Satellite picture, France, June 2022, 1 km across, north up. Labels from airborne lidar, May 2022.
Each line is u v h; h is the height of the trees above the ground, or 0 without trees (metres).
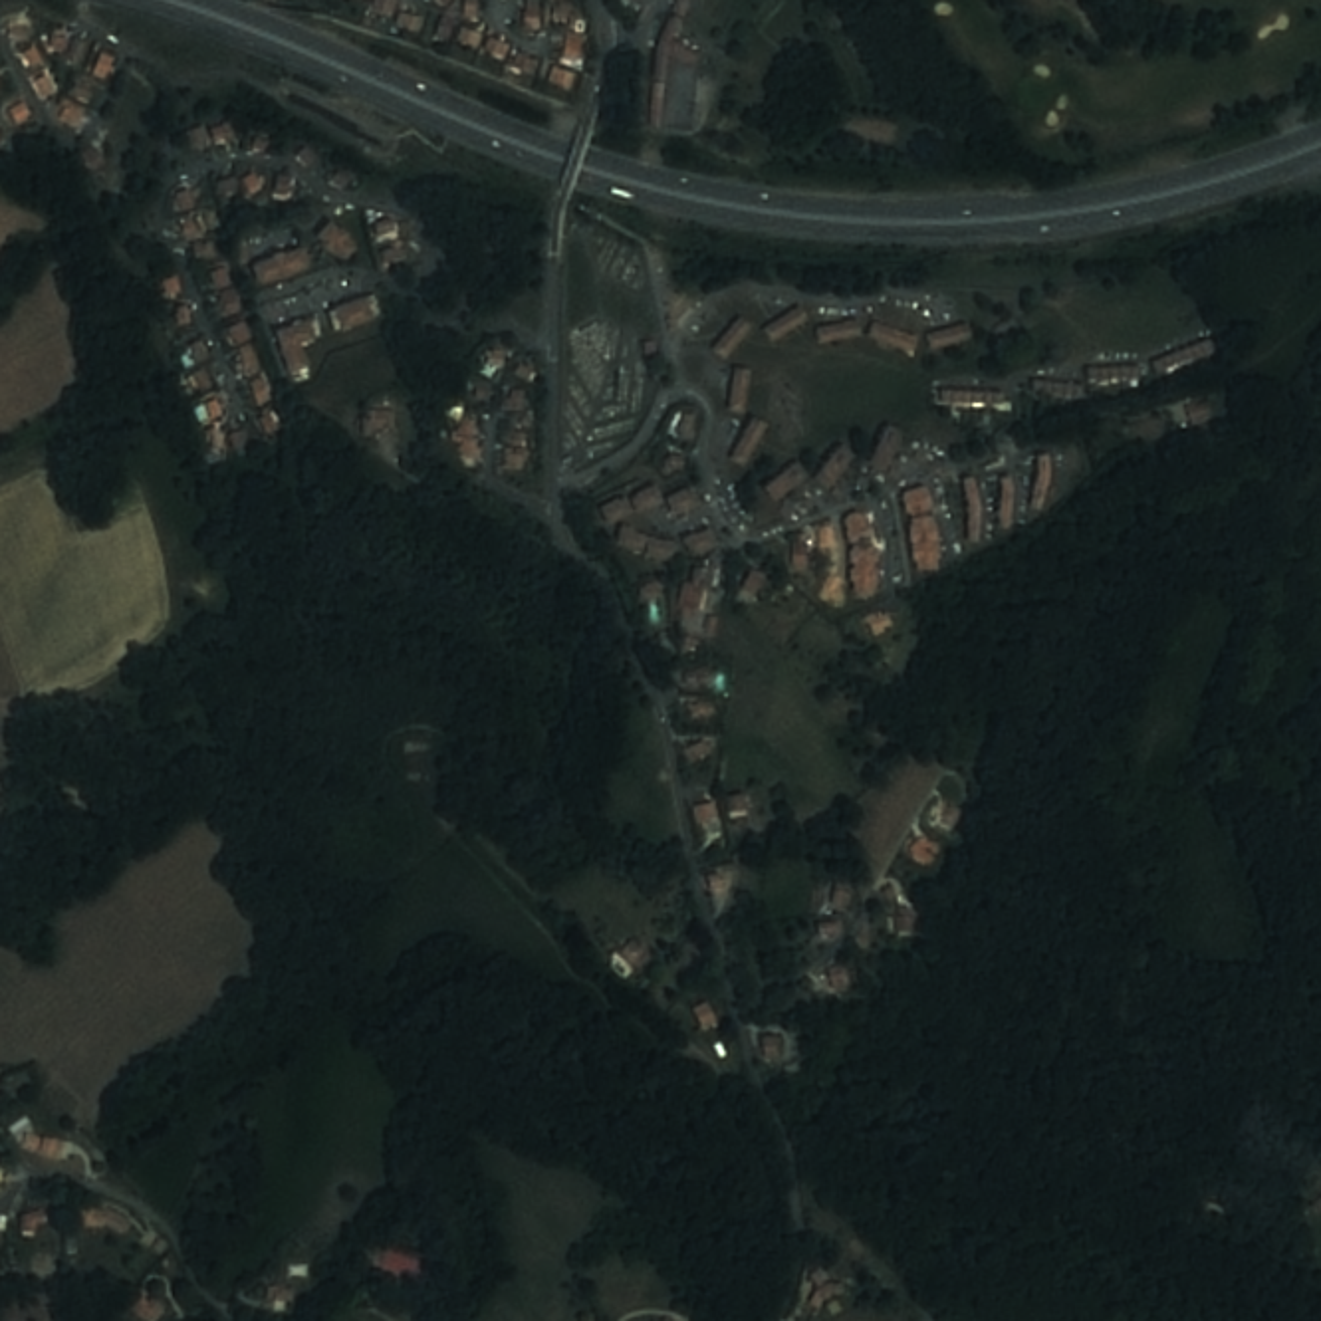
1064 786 24
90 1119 0
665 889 10
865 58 12
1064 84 0
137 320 20
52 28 6
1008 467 0
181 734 23
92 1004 0
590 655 17
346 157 8
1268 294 0
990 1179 27
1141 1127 17
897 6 20
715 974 20
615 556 7
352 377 0
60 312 0
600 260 0
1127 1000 29
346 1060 0
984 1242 17
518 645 6
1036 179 9
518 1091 30
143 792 26
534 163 0
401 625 10
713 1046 0
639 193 0
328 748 8
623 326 0
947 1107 24
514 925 0
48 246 10
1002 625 27
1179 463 27
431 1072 26
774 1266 23
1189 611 17
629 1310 0
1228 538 18
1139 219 0
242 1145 18
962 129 20
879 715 22
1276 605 32
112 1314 18
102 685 0
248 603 23
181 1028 0
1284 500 30
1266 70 0
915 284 15
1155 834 21
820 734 0
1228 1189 19
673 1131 22
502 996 21
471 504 12
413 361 16
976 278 0
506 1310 0
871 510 0
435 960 17
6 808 19
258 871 29
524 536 16
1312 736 21
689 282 8
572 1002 18
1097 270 9
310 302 0
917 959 24
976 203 0
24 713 19
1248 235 15
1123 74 0
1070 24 7
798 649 7
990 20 0
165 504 0
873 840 0
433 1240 28
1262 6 0
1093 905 21
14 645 0
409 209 19
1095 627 34
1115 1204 29
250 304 13
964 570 7
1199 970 21
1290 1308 21
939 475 0
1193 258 24
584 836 13
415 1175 24
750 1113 19
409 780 0
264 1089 10
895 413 0
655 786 0
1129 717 21
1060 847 27
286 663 10
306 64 0
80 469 27
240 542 18
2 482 0
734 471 0
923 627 9
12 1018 0
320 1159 0
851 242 0
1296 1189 19
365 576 13
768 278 14
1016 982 22
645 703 10
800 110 17
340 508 11
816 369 0
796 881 0
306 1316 21
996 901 27
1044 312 0
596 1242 8
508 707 21
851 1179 27
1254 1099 19
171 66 0
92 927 0
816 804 0
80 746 23
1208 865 0
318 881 16
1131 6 20
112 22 0
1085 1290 17
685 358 0
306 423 20
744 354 0
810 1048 19
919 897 19
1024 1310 11
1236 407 18
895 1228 24
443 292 22
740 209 0
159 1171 0
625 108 22
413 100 0
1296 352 0
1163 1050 27
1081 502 19
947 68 17
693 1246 26
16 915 28
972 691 27
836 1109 22
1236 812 27
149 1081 23
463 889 0
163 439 15
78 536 0
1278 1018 14
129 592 0
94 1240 0
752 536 0
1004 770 25
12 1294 17
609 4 12
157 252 10
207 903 0
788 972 11
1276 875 26
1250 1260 21
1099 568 29
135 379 19
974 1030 24
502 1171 0
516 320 0
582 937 15
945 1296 20
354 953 24
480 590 14
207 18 0
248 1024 25
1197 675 0
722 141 17
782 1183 14
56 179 24
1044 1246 15
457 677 11
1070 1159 19
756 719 0
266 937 21
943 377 0
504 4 0
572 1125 29
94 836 29
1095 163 11
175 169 8
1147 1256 25
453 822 13
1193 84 0
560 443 0
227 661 28
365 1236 16
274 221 19
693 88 0
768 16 0
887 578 0
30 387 0
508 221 23
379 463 0
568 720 12
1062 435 20
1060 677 30
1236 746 24
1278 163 0
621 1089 17
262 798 13
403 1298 20
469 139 0
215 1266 21
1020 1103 24
